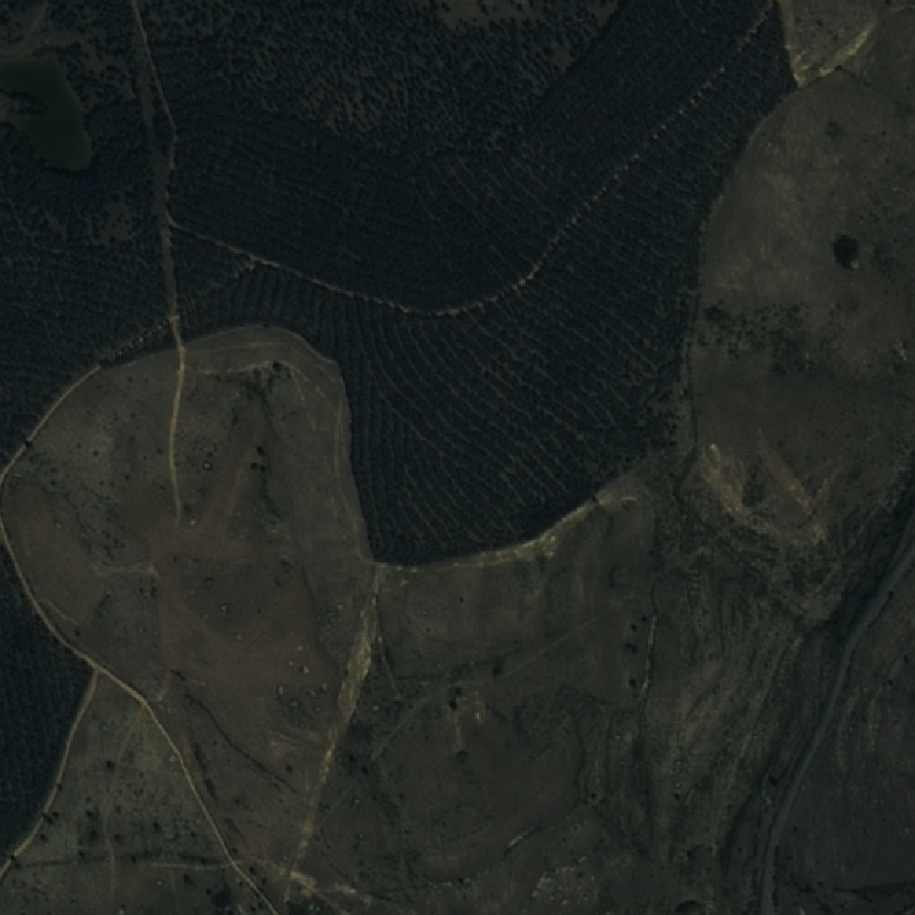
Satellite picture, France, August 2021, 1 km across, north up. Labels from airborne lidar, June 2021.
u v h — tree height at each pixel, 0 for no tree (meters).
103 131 9
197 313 10
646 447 7
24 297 10
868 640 0
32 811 11
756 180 0
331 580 0
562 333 12
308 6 11
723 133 12
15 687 11
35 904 0
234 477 0
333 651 0
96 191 12
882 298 0
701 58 12
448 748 0
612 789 0
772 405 0
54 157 0
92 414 0
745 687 0
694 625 0
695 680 0
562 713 0
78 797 0
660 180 13
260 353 0
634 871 0
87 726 0
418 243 14
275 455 0
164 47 13
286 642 0
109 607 0
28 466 0
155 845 0
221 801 0
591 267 10
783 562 0
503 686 0
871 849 0
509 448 12
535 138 10
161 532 0
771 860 0
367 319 13
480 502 12
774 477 0
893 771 0
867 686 0
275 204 12
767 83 11
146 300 10
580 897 0
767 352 0
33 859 0
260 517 0
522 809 0
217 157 12
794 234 0
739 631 0
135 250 9
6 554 8
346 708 0
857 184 0
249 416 0
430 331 12
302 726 0
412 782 0
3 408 13
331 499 0
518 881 0
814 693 0
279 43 9
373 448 10
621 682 0
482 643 0
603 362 12
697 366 0
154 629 0
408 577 0
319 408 0
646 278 10
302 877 0
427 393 13
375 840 0
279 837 0
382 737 0
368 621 0
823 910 6
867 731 0
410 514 13
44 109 11
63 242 9
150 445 0
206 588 0
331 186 16
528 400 9
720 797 0
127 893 0
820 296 0
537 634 0
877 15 0
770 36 13
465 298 12
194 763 0
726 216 0
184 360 0
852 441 0
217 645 0
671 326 9
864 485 0
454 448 11
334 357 9
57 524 0
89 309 11
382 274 15
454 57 13
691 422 0
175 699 0
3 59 0
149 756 0
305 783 0
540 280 11
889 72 0
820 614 0
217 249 13
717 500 0
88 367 11
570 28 14
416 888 0
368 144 12
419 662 0
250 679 0
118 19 9
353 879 0
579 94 12
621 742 0
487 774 0
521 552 0
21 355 13
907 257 0
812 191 0
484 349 10
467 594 0
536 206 13
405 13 10
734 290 0
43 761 12
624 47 12
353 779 0
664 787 0
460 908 0
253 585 0
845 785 0
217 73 12
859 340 0
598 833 0
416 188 14
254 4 12
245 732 0
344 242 16
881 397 0
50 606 0
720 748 0
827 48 0
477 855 0
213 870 0
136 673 0
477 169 12
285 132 12
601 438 9
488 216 14
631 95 12
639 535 0
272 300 12
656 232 11
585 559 0
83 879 0
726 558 0
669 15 16
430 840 0
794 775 0
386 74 10
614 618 0
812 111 0
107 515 0
